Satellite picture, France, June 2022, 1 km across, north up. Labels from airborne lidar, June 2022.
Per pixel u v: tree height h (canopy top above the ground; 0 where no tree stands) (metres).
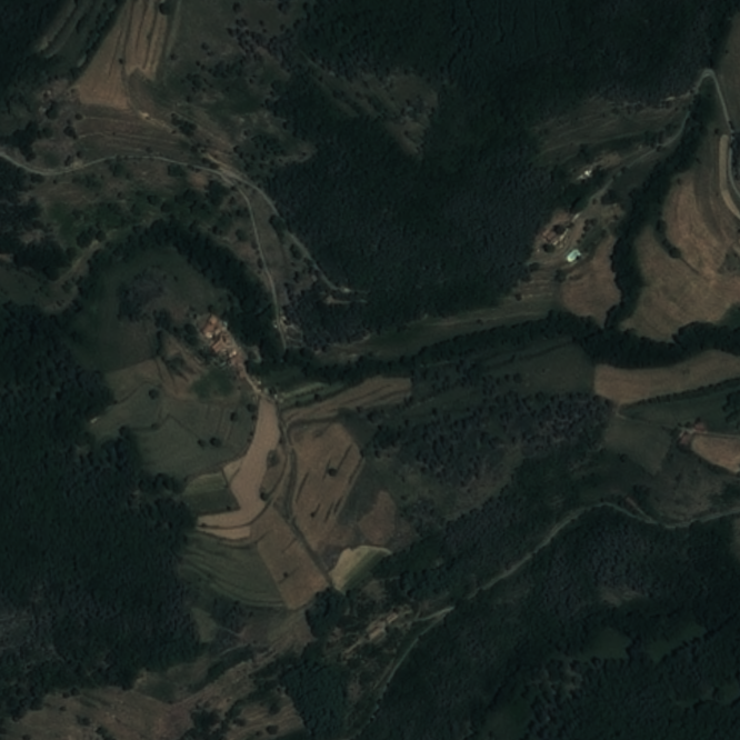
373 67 13
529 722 0
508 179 16
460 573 27
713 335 24
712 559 18
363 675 6
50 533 16
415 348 0
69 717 0
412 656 8
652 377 0
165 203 6
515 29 12
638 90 18
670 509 0
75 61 0
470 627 8
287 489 0
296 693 21
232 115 0
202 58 0
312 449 0
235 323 12
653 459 0
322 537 0
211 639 0
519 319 0
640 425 0
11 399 16
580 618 18
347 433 0
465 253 17
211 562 0
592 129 0
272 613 0
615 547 16
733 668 22
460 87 7
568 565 11
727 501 6
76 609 15
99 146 0
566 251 0
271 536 0
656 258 0
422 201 12
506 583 6
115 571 18
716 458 0
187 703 0
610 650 0
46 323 34
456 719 11
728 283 0
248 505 0
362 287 12
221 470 0
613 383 0
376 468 0
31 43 13
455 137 6
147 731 0
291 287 15
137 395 0
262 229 0
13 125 0
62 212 0
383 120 10
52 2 11
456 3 14
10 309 23
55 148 0
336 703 26
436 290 21
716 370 0
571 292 0
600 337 20
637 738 18
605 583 13
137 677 16
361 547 0
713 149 0
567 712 20
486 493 0
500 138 10
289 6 14
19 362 28
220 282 16
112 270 0
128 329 0
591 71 20
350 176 8
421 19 7
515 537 14
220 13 0
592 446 12
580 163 0
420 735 12
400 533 0
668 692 20
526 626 13
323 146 8
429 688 13
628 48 14
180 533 16
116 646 15
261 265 7
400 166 12
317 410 0
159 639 8
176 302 0
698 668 21
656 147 12
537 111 20
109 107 0
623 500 9
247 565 0
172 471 0
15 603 9
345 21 14
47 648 9
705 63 19
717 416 0
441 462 9
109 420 0
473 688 13
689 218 0
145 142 0
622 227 8
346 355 0
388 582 6
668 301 0
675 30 18
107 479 18
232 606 0
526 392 0
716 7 21
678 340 21
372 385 0
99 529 19
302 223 6
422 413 0
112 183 0
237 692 0
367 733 13
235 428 0
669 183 11
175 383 0
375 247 10
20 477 21
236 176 0
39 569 12
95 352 0
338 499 0
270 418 0
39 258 16
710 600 18
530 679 17
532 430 6
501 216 20
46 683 15
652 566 11
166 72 0
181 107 0
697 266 0
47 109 0
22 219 9
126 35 0
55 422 18
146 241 24
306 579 0
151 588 16
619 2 17
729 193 0
